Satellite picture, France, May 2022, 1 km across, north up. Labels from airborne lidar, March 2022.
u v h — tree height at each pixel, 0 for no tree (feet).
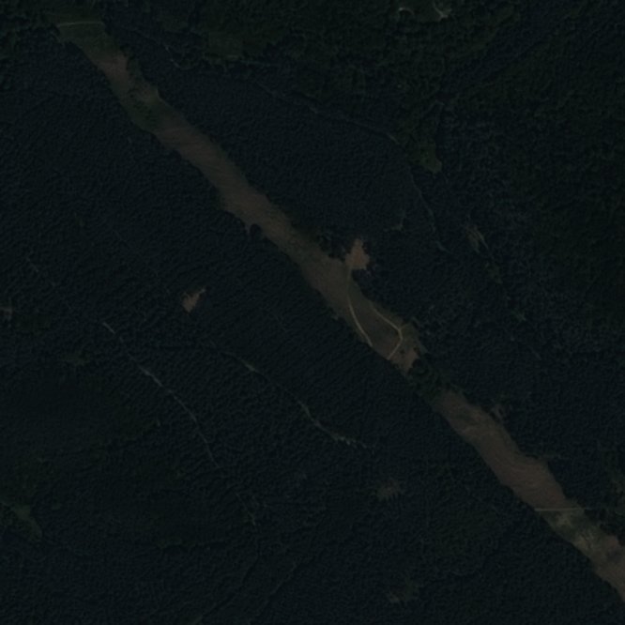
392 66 67
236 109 90
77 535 78
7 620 89
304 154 87
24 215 79
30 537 28
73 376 54
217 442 77
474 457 81
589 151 78
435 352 89
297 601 71
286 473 78
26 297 73
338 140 71
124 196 69
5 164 70
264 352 58
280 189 94
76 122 76
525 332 101
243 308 55
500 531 34
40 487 64
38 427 50
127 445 97
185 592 74
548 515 0
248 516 80
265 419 86
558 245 53
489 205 68
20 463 52
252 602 46
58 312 73
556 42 61
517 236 93
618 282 42
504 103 49
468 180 73
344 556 74
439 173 0
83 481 62
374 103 80
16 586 64
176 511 61
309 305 62
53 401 63
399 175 89
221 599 55
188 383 74
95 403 48
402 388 98
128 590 84
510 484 0
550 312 76
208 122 79
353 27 46
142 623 82
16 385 52
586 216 54
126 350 68
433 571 40
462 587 87
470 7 45
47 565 100
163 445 94
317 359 63
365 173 76
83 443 46
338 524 43
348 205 91
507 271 98
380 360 85
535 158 50
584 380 76
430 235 80
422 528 73
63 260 42
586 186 23
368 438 82
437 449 84
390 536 65
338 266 0
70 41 0
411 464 92
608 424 88
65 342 75
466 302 71
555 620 89
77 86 94
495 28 73
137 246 70
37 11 29
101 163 72
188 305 0
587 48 41
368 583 63
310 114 83
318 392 64
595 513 29
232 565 76
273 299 61
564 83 36
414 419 99
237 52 0
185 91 98
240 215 0
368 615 75
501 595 66
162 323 67
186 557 75
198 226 69
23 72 88
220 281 68
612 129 48
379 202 87
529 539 71
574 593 75
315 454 76
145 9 86
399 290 74
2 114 69
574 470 85
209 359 95
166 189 66
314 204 96
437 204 106
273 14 43
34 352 89
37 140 75
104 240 65
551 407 83
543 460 0
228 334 65
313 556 39
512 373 77
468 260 100
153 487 60
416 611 66
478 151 83
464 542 41
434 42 88
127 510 52
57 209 65
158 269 73
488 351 52
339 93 84
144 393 83
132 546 96
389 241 79
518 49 86
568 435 93
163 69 87
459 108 23
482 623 89
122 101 0
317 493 79
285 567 43
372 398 80
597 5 45
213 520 62
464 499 42
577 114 39
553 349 101
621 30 41
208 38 85
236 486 92
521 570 80
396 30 37
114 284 52
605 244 58
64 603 86
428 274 66
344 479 67
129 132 90
